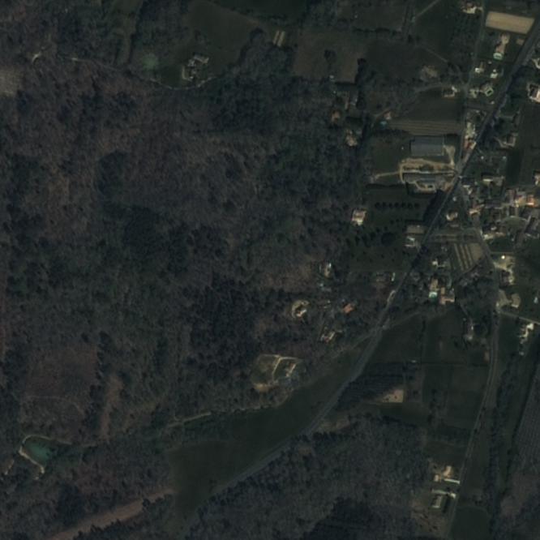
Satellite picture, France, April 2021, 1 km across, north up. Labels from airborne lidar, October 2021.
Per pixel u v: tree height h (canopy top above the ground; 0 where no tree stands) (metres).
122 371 16
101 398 23
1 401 17
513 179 0
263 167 18
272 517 20
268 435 0
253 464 0
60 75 15
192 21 0
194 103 14
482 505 8
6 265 12
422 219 6
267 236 17
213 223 14
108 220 20
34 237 10
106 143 16
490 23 0
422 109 0
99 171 14
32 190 9
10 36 12
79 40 8
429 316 14
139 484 15
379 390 13
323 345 16
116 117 16
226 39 0
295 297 14
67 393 0
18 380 9
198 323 18
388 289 7
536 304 0
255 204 9
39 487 19
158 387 16
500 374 0
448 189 0
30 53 6
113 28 7
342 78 0
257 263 9
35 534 16
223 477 0
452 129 0
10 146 6
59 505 9
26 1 21
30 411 12
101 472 22
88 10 13
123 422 17
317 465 13
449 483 0
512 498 0
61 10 9
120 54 18
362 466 16
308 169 17
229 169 14
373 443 15
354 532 11
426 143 0
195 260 9
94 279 18
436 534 7
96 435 23
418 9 0
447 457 0
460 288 9
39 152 18
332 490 16
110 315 19
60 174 13
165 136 7
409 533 16
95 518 10
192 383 12
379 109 14
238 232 13
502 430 19
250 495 14
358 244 15
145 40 25
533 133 0
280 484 12
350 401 9
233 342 21
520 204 0
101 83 11
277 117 22
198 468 0
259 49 20
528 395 6
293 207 17
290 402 0
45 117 16
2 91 0
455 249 0
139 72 11
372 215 0
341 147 16
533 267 0
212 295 15
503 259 0
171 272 20
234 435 0
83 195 18
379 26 0
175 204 10
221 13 0
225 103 13
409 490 15
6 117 15
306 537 12
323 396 0
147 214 19
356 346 0
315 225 25
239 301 20
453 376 0
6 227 8
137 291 16
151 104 8
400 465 20
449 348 0
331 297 13
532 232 0
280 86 24
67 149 17
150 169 11
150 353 16
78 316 19
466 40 14
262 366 0
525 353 15
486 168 0
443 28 0
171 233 15
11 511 19
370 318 11
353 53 0
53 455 15
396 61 0
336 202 15
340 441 19
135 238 19
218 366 15
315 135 16
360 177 19
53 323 17
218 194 18
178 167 10
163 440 12
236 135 18
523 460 26
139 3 0
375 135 13
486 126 0
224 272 11
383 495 18
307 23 18
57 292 25
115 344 23
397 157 0
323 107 10
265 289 19
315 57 0
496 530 21
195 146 18
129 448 20
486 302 18
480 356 0
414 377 16
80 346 12
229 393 16
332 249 15
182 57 0
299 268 18
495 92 0
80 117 10
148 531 23
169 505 13
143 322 21
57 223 8
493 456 7
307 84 19
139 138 10
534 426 30
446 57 0
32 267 14
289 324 11
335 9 15
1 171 10
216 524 11
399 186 8
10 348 17
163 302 18
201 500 0
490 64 8
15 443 12
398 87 25
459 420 0
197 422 0
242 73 15
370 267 0
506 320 0
